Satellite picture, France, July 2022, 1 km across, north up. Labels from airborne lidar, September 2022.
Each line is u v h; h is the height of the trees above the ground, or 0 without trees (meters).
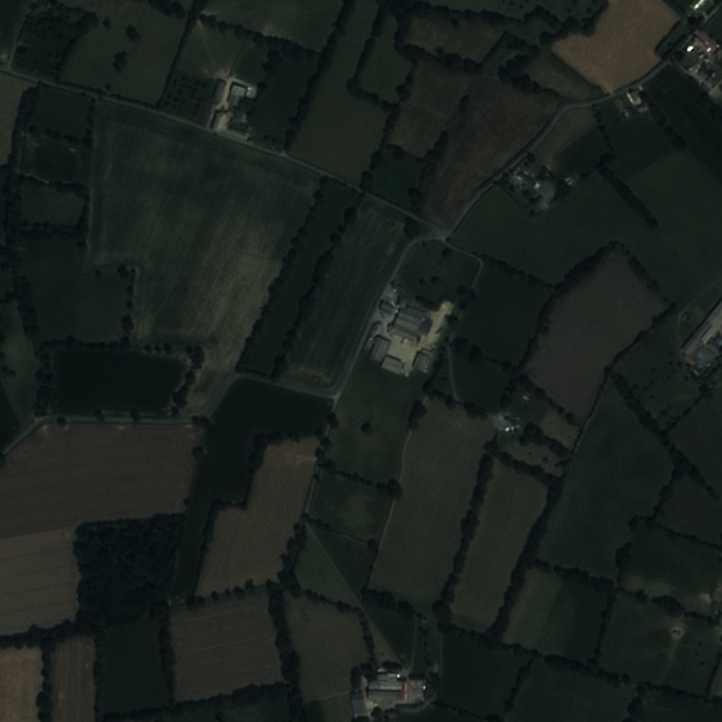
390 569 0
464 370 0
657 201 0
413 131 0
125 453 0
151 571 24
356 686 13
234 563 0
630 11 0
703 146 0
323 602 11
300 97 0
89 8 0
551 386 0
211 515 10
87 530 19
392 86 0
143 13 0
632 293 0
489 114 0
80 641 0
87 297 0
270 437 12
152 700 0
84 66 0
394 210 0
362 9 0
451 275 0
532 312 0
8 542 0
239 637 0
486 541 0
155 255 0
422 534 0
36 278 0
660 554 0
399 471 0
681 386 0
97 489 0
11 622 0
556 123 0
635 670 0
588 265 15
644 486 0
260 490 0
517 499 0
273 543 0
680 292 0
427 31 0
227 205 0
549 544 0
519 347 0
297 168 0
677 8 7
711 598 0
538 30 0
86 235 10
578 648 0
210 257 0
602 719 0
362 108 0
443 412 0
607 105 0
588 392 0
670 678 0
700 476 11
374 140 0
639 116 0
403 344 0
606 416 0
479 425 0
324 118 0
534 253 0
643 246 0
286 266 14
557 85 0
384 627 0
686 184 0
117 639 0
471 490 0
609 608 8
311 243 0
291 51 17
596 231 0
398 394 0
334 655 0
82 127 0
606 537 0
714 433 0
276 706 0
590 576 14
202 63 0
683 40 8
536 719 0
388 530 0
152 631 0
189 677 0
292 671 24
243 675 0
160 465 0
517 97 0
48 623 0
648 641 0
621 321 0
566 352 0
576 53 0
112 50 0
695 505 0
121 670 0
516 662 0
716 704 14
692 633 0
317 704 0
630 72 0
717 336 0
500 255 0
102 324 0
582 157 0
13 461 0
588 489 0
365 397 0
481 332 0
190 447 0
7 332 0
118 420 0
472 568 0
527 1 6
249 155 0
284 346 10
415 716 0
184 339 0
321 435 14
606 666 0
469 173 0
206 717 0
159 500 0
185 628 0
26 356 0
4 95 0
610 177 13
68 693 0
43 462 0
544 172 6
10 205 19
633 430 0
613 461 0
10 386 0
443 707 9
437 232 0
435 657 0
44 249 0
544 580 0
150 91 0
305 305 17
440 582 0
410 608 17
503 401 13
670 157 0
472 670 0
